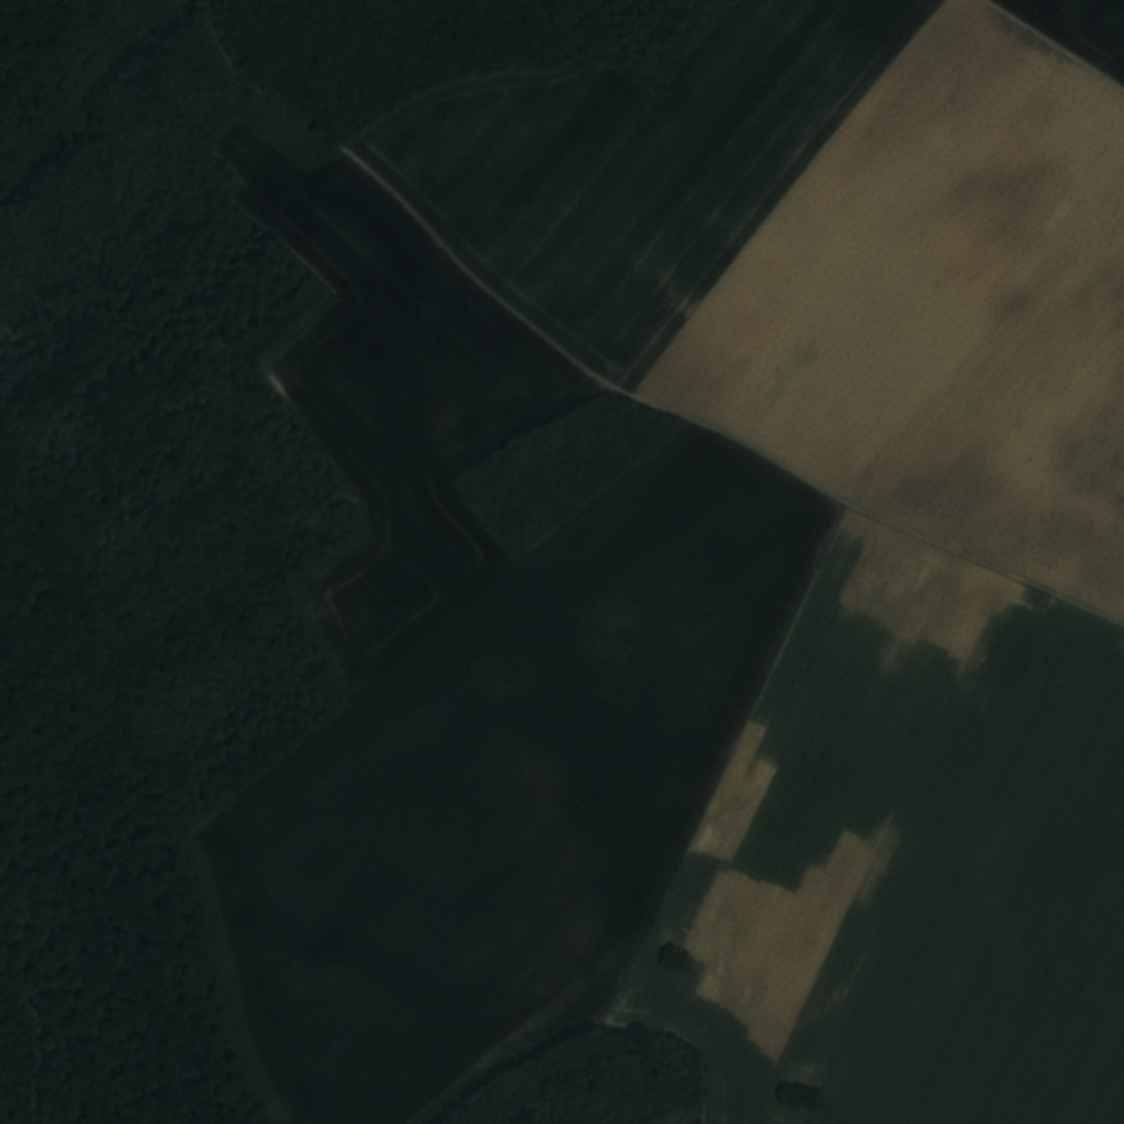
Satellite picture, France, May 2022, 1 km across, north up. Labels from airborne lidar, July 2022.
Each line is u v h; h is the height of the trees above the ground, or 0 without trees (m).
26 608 29
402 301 0
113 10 21
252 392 22
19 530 29
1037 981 0
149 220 27
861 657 0
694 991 0
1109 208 0
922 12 0
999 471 0
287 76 17
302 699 27
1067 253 0
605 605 0
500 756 0
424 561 0
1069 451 0
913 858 0
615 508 0
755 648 0
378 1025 0
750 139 0
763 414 0
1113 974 0
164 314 17
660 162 0
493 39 18
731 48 0
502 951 0
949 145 0
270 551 30
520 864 0
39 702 30
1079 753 0
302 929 0
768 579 0
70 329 24
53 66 28
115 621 27
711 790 0
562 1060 21
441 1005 0
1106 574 0
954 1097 0
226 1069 22
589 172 0
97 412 27
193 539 27
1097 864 0
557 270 0
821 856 0
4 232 30
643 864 0
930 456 0
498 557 0
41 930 24
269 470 31
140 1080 29
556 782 0
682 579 0
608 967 0
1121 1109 0
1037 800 0
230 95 25
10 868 25
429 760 0
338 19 18
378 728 0
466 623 0
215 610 29
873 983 0
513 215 0
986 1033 0
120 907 30
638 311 0
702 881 0
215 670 19
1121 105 0
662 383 0
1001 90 0
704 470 0
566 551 0
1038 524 0
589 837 0
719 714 0
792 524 0
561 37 20
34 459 24
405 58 17
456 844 0
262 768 22
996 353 0
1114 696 0
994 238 0
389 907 0
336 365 0
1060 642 0
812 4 0
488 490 18
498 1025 0
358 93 17
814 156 0
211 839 0
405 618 0
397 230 0
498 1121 22
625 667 0
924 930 0
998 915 0
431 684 0
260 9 19
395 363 0
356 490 0
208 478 30
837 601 0
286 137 15
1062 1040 0
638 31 20
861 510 0
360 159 0
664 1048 22
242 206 14
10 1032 20
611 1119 20
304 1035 0
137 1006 29
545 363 0
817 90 0
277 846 0
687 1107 23
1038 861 0
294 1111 0
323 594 0
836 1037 0
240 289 28
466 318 0
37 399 27
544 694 0
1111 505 0
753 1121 0
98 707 30
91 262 26
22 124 30
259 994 0
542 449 19
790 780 0
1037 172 0
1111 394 0
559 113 0
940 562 0
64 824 31
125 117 22
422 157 0
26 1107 22
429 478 0
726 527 0
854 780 0
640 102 0
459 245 0
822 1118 0
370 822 0
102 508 28
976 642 0
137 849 28
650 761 0
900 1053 0
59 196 23
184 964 27
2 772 33
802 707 0
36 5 31
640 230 0
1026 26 0
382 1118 0
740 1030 0
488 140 0
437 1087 0
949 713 0
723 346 0
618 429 16
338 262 0
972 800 0
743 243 0
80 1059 29
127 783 27
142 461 26
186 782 23
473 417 0
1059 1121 0
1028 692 0
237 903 0
